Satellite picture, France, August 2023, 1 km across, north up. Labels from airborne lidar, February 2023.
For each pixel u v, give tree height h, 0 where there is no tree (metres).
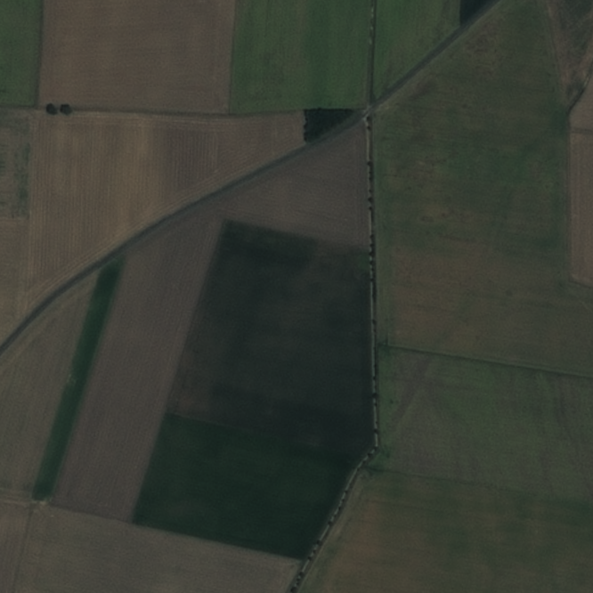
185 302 0
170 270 0
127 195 0
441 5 0
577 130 0
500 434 0
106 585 0
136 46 0
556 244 0
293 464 0
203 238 0
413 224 0
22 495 0
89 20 0
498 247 0
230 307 0
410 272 0
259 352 0
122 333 0
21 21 0
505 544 0
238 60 0
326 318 0
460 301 0
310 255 0
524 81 0
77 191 0
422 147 0
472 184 0
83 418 0
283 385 0
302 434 0
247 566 0
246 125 0
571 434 0
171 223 0
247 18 0
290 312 0
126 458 0
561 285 0
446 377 0
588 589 0
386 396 0
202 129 0
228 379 0
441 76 0
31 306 0
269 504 0
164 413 0
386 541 0
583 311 0
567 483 0
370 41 0
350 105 0
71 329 0
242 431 0
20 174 0
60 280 0
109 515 0
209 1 0
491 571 0
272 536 0
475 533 0
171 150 0
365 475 0
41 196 0
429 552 0
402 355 0
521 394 0
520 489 0
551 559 0
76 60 0
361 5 0
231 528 0
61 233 0
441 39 0
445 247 0
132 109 0
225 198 0
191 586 0
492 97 0
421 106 0
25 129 0
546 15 0
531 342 0
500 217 0
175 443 0
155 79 0
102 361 0
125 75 0
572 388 0
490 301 0
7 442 0
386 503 0
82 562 0
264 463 0
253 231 0
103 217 0
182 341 0
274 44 0
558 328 0
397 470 0
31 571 0
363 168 0
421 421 0
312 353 0
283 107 0
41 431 0
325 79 0
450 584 0
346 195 0
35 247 0
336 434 0
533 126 0
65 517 0
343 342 0
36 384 0
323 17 0
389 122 0
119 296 0
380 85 0
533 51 0
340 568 0
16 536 0
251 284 0
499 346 0
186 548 0
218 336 0
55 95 0
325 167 0
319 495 0
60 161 0
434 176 0
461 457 0
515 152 0
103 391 0
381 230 0
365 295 0
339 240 0
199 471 0
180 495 0
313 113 10
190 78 0
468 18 0
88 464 0
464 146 0
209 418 0
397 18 0
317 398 0
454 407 0
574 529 0
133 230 0
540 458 0
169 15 0
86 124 0
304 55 0
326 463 0
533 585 0
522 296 0
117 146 0
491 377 0
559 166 0
